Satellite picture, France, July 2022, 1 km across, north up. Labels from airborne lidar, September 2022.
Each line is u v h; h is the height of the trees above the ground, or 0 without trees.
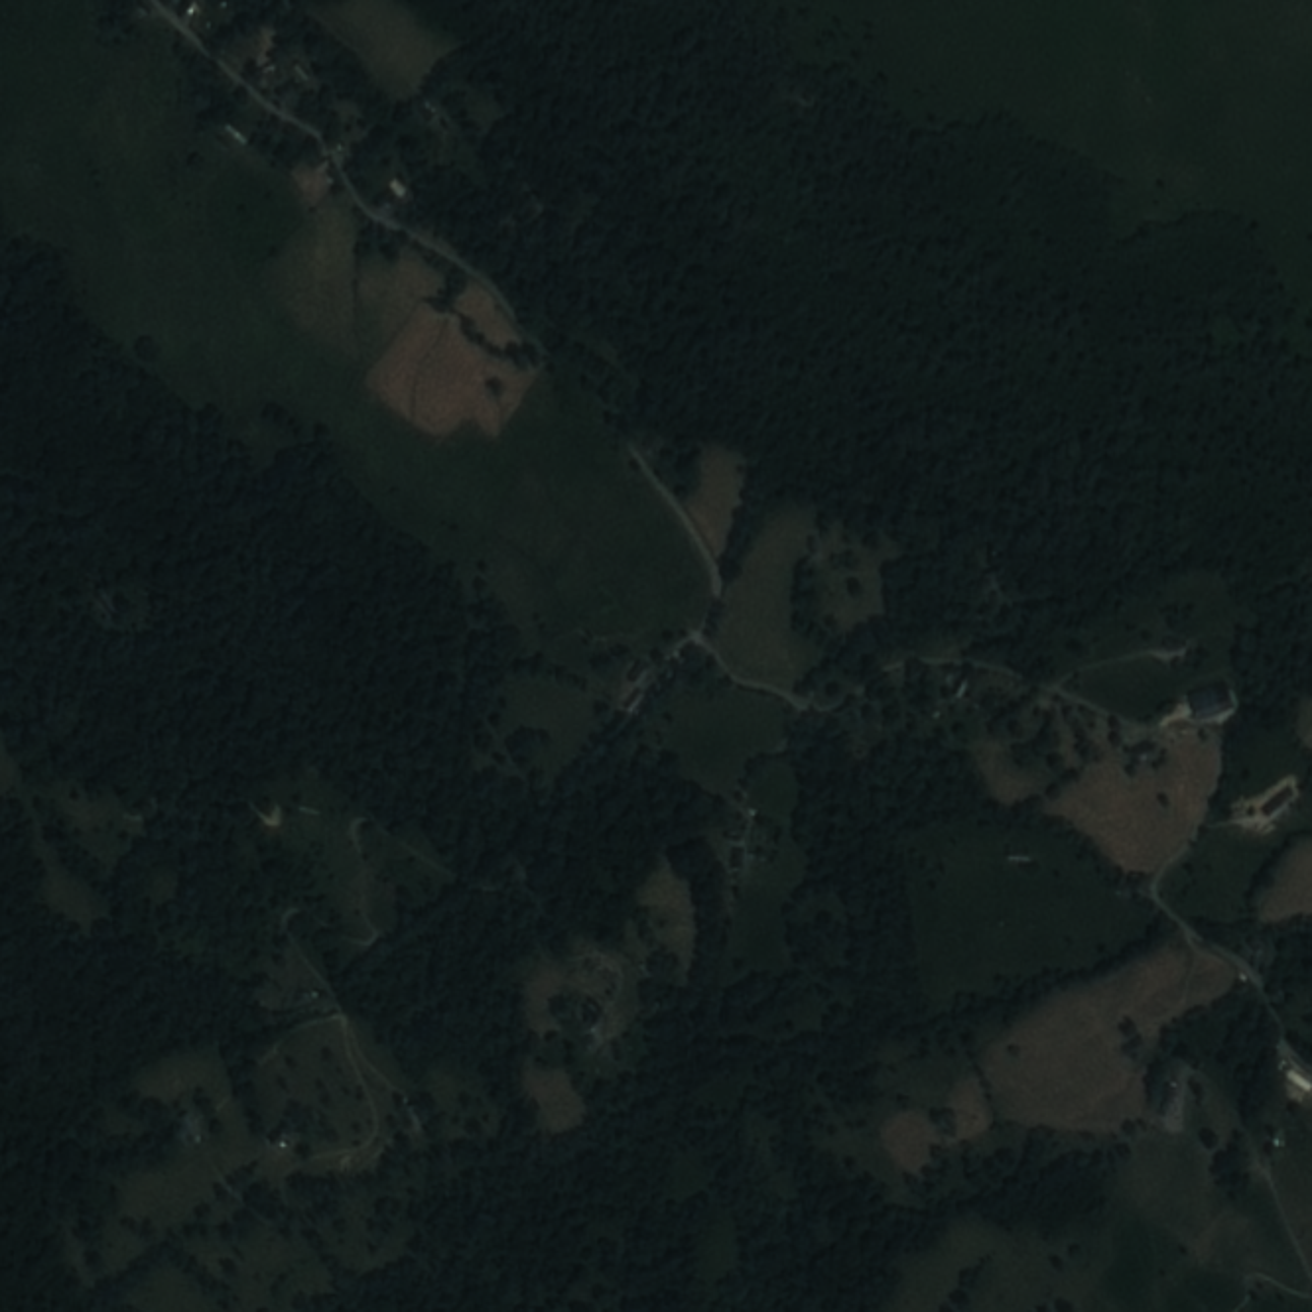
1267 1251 0
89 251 0
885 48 0
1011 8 0
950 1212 14
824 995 12
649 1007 6
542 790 18
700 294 9
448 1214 13
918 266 15
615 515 0
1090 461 15
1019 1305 0
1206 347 9
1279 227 0
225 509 19
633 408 21
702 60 11
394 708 7
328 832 0
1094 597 19
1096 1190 9
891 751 13
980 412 11
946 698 7
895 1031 13
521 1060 20
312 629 24
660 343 16
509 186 18
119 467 29
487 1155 25
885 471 17
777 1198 12
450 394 0
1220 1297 0
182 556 13
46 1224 19
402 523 0
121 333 0
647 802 10
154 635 16
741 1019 15
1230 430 17
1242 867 0
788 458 9
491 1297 22
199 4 0
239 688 20
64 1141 17
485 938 15
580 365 23
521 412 0
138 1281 9
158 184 0
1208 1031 0
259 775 26
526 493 0
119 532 33
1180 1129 0
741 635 0
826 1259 28
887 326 8
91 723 17
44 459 24
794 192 7
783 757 6
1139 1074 0
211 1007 24
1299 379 9
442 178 14
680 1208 9
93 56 0
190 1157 0
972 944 0
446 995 18
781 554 0
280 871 15
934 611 16
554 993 0
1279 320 8
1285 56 0
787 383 11
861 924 16
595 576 0
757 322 15
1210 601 0
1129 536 15
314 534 27
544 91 18
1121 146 0
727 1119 6
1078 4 0
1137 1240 0
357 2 0
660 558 0
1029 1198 11
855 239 8
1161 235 6
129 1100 19
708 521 0
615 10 9
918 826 16
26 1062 19
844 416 17
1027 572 27
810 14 12
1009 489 10
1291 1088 0
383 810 19
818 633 16
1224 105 0
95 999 18
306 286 0
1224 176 0
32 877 20
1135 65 0
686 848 19
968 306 8
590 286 16
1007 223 9
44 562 14
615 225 16
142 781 20
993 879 0
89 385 28
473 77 12
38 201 0
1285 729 22
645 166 18
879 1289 21
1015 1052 9
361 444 0
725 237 9
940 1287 0
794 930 16
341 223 0
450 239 7
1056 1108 0
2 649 22
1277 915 0
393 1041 18
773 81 12
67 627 14
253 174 0
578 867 31
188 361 0
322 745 20
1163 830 0
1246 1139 14
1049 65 0
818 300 8
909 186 14
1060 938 0
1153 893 12
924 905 0
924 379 8
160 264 0
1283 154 0
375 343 0
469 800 17
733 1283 15
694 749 0
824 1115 15
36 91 0
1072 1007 0
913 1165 0
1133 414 22
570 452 0
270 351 0
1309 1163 0
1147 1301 0
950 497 9
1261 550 9
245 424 0
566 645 0
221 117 12
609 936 20
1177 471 9
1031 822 18
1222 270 8
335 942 10
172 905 9
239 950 14
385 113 16
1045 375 8
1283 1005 14
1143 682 0
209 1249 0
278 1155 0
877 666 18
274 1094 0
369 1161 0
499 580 0
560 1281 11
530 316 18
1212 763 0
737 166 8
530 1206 11
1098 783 0
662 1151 9
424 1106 20
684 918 0
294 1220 14
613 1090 7
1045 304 15
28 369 30
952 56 0
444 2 7
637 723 14
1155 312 13
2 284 23
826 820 8
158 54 0
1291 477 15
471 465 0
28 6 0
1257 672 19
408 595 26
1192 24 0
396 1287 13
